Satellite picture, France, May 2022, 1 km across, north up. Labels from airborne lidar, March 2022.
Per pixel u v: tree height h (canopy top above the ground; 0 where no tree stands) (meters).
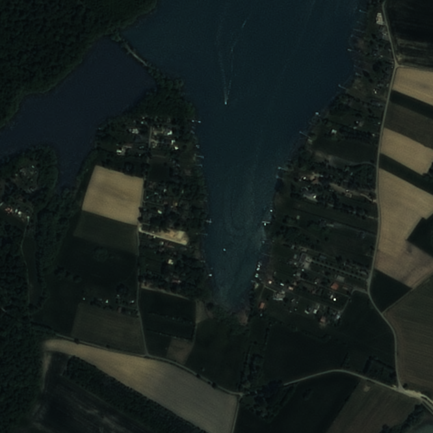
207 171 0
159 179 0
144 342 0
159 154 0
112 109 0
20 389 25
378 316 0
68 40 26
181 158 0
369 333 0
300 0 0
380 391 0
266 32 0
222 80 0
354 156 0
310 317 0
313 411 0
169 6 0
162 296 0
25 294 19
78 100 0
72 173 0
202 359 0
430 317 0
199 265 7
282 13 0
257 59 0
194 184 10
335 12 0
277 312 0
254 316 7
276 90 0
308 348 0
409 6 0
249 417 0
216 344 0
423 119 0
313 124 0
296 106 0
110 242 0
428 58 0
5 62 28
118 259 0
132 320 0
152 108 23
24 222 0
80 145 0
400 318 0
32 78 26
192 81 0
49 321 0
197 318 0
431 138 0
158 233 0
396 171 0
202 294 13
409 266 0
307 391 7
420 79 0
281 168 0
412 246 0
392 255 0
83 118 0
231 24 0
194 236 0
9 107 24
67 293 0
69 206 7
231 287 0
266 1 0
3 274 26
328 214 0
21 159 19
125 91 0
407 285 0
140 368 0
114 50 0
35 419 0
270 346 0
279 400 7
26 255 0
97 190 0
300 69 0
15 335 25
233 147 0
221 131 0
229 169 0
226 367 0
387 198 0
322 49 0
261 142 0
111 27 15
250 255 0
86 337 0
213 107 0
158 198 8
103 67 0
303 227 0
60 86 0
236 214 0
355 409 0
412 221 0
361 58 0
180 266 12
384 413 0
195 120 0
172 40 0
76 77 0
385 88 0
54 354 0
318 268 0
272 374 0
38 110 0
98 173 0
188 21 0
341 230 0
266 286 0
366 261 0
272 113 0
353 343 0
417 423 11
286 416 0
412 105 0
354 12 0
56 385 0
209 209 0
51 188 6
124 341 0
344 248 0
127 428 0
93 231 0
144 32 0
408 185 0
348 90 0
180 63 0
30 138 0
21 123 0
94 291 0
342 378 0
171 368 0
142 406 13
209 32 0
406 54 0
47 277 0
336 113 10
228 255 0
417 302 0
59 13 27
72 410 0
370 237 0
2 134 0
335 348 0
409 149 0
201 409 0
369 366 14
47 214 20
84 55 0
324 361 0
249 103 0
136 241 0
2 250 29
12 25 23
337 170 6
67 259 0
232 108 0
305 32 0
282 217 0
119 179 0
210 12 0
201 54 0
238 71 0
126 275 0
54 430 0
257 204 0
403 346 0
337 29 0
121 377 0
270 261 0
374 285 0
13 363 25
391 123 0
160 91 20
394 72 0
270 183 0
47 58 23
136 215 0
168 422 13
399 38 0
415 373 0
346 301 0
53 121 0
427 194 0
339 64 0
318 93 0
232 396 0
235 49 0
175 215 17
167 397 0
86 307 0
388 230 0
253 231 0
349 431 0
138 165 0
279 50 0
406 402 0
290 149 0
